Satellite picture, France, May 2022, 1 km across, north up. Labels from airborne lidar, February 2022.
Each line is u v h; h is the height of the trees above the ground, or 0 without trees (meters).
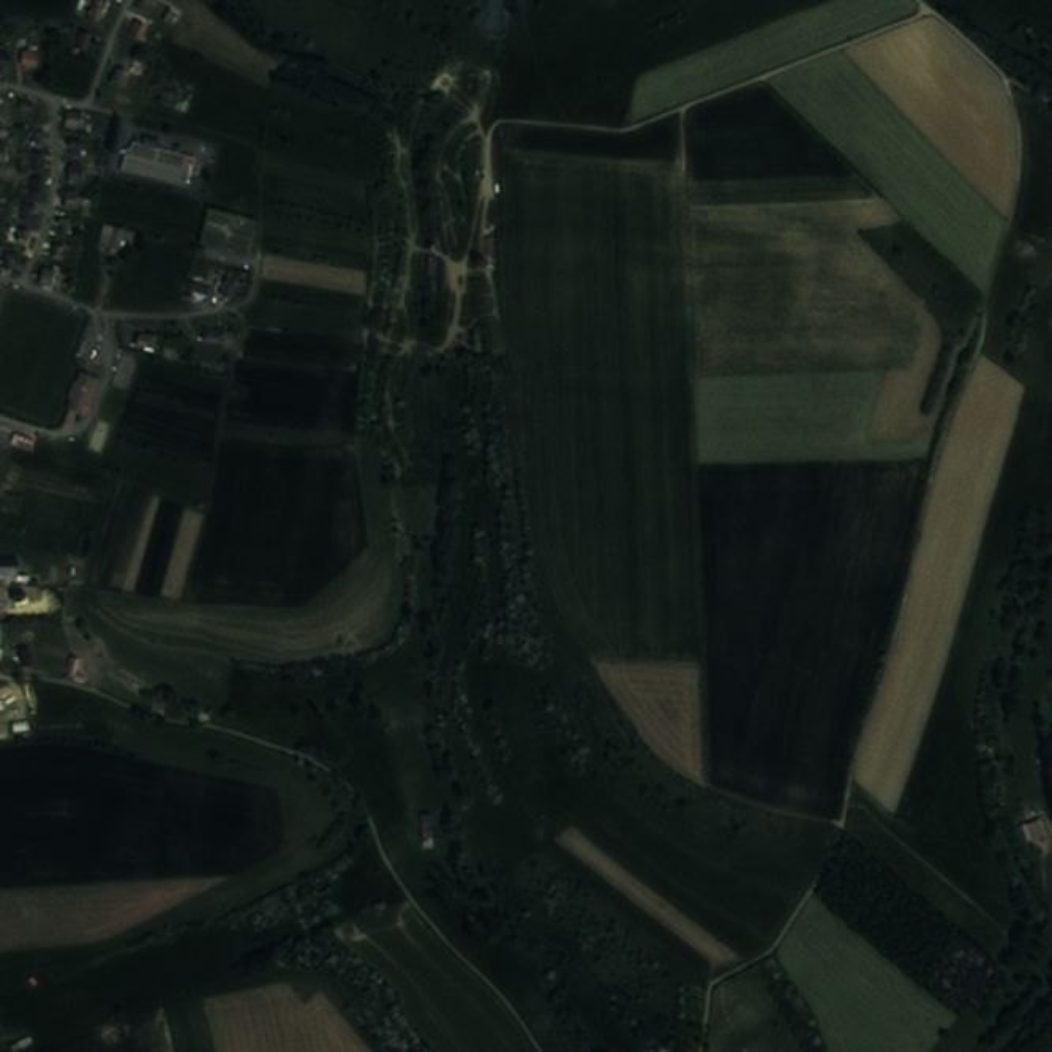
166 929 6
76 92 0
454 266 0
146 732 0
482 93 0
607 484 0
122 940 0
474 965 0
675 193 0
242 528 0
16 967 0
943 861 0
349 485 0
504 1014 0
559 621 0
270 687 0
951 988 19
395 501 0
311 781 11
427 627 20
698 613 0
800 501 0
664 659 0
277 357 0
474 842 0
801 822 0
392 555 0
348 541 0
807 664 0
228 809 0
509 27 0
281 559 0
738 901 0
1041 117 0
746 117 0
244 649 0
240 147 0
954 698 0
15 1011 0
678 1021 9
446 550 19
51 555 0
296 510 0
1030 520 9
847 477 0
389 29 0
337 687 0
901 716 0
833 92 0
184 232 0
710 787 0
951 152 0
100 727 0
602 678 0
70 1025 0
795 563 0
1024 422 0
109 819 0
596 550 0
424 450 0
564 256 0
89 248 0
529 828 0
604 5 0
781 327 0
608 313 0
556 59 0
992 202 0
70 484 0
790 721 0
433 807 0
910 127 0
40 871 0
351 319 0
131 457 0
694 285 0
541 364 0
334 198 0
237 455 0
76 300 0
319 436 0
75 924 0
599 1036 0
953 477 0
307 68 18
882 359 0
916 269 0
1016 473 0
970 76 0
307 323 0
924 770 0
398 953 0
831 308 0
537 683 0
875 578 0
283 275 0
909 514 0
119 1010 7
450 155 0
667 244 0
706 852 0
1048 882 0
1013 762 12
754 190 0
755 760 0
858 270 0
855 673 0
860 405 0
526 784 0
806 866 0
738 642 0
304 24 0
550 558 0
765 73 0
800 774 0
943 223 0
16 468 0
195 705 11
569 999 0
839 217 0
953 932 15
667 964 0
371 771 0
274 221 0
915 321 0
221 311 0
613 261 0
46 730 0
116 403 0
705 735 0
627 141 0
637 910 0
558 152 0
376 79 15
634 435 0
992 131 0
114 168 0
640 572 0
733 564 0
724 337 0
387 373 6
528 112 0
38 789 0
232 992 0
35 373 0
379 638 0
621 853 0
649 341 0
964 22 14
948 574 0
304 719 0
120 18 0
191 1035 0
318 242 0
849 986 0
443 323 0
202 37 0
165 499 0
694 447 0
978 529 0
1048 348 0
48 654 0
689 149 0
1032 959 19
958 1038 0
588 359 0
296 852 0
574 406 0
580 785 0
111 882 0
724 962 0
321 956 6
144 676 0
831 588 0
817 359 0
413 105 0
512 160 0
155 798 0
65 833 0
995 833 14
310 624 0
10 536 0
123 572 0
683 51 0
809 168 0
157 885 0
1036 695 0
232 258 0
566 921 0
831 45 0
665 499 0
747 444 0
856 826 0
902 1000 0
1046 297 0
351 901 0
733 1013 0
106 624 0
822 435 0
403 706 0
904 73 0
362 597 0
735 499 0
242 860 0
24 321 0
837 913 11
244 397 0
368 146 0
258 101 0
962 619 0
